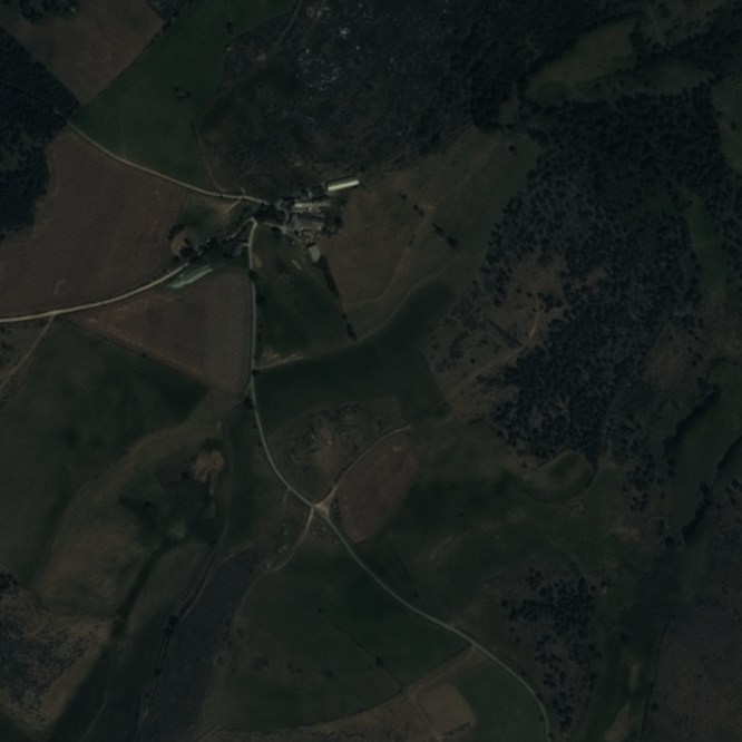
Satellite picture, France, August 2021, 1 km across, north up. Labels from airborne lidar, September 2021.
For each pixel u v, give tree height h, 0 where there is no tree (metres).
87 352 0
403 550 0
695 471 0
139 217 0
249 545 0
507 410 13
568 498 0
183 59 0
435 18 0
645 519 0
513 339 0
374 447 0
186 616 0
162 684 0
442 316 0
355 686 0
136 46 0
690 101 10
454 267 0
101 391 0
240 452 0
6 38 16
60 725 0
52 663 0
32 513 0
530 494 0
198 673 0
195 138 0
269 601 0
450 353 0
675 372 0
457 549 0
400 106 0
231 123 0
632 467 0
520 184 0
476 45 8
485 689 0
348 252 0
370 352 0
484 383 0
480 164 0
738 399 0
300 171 0
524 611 12
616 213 13
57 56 0
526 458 0
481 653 0
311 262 0
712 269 0
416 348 0
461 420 0
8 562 0
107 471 0
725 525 0
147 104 0
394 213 0
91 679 0
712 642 0
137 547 0
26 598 0
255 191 0
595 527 0
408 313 0
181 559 0
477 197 0
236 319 0
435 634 0
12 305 0
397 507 0
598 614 0
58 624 0
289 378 0
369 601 0
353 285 0
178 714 0
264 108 0
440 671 0
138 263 0
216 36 0
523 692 0
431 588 0
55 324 0
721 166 12
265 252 0
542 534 0
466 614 0
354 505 0
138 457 0
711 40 18
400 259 0
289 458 0
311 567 0
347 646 0
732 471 0
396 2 0
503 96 6
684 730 0
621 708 0
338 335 0
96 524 0
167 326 0
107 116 0
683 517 0
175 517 0
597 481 0
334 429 0
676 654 0
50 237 0
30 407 0
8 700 0
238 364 0
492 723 0
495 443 0
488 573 0
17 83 15
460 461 0
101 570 0
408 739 0
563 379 9
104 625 0
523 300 0
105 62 0
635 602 0
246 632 0
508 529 0
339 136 0
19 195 14
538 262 0
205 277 0
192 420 0
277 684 0
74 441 0
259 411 0
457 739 0
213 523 0
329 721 0
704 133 10
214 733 0
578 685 0
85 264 0
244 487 0
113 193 0
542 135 15
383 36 0
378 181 0
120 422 0
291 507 0
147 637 0
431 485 0
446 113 7
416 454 0
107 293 0
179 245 0
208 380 0
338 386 0
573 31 13
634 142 12
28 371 0
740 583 0
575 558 0
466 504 0
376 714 0
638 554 0
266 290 0
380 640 0
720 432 0
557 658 8
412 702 0
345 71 0
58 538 0
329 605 0
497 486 0
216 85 0
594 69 0
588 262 11
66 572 0
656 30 0
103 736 0
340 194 0
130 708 0
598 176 14
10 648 0
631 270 7
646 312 11
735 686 0
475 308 0
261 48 0
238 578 0
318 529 0
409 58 0
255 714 0
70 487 0
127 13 0
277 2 0
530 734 0
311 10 0
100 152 0
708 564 0
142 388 0
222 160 0
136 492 0
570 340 14
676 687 0
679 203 17
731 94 0
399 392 0
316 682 0
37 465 0
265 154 0
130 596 0
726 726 0
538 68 15
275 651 0
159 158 0
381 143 0
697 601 0
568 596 11
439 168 0
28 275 0
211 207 0
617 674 0
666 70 0
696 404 0
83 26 0
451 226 0
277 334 0
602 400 9
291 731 0
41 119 15
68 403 0
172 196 0
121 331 0
